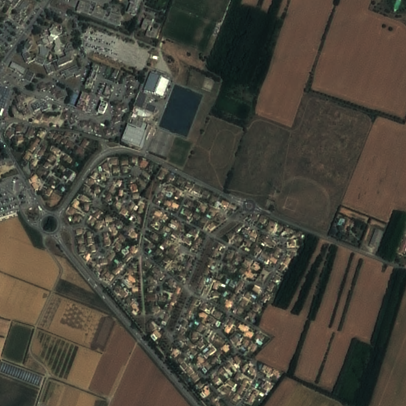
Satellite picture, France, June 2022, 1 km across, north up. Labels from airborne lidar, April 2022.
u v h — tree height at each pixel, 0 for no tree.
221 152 0
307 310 0
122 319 0
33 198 0
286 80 0
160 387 0
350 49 0
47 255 0
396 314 7
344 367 10
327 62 0
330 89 0
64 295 0
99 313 0
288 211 0
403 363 0
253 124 0
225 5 0
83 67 0
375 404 0
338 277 0
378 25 0
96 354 0
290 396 0
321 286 12
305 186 0
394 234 14
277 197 0
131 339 0
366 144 0
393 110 0
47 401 0
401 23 0
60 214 0
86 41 0
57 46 0
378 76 0
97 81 0
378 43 0
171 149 0
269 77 0
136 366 0
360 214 11
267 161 0
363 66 0
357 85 0
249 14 14
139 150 0
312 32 0
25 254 0
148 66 8
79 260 0
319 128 0
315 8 0
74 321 0
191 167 0
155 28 8
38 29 11
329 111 0
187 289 0
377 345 12
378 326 11
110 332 0
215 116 10
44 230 7
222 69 7
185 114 0
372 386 11
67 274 0
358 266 7
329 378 0
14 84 0
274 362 0
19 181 0
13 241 0
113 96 0
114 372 0
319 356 0
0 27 9
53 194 0
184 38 0
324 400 0
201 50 0
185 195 0
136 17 9
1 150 16
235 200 0
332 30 0
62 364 0
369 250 0
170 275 6
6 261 0
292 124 0
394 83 0
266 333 0
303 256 16
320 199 0
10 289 0
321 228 0
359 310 0
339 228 20
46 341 0
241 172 0
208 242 0
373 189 0
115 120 0
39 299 0
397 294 12
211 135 0
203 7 0
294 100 0
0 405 0
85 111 0
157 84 0
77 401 0
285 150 0
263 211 0
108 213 9
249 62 14
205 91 0
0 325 0
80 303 0
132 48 0
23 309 0
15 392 0
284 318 0
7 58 0
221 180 0
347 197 0
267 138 0
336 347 0
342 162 0
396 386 0
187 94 0
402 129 0
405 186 0
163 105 0
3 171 0
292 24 0
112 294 6
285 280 15
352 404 11
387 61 0
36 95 0
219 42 9
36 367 0
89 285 0
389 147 0
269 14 12
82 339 0
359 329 0
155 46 6
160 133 0
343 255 0
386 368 0
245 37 15
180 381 8
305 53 0
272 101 0
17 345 0
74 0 0
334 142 0
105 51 0
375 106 0
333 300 0
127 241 6
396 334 0
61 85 9
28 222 0
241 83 7
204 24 0
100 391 0
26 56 0
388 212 0
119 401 0
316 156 0
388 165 0
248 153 0
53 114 11
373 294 0
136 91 11
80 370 0
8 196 0
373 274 0
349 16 0
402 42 0
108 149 0
